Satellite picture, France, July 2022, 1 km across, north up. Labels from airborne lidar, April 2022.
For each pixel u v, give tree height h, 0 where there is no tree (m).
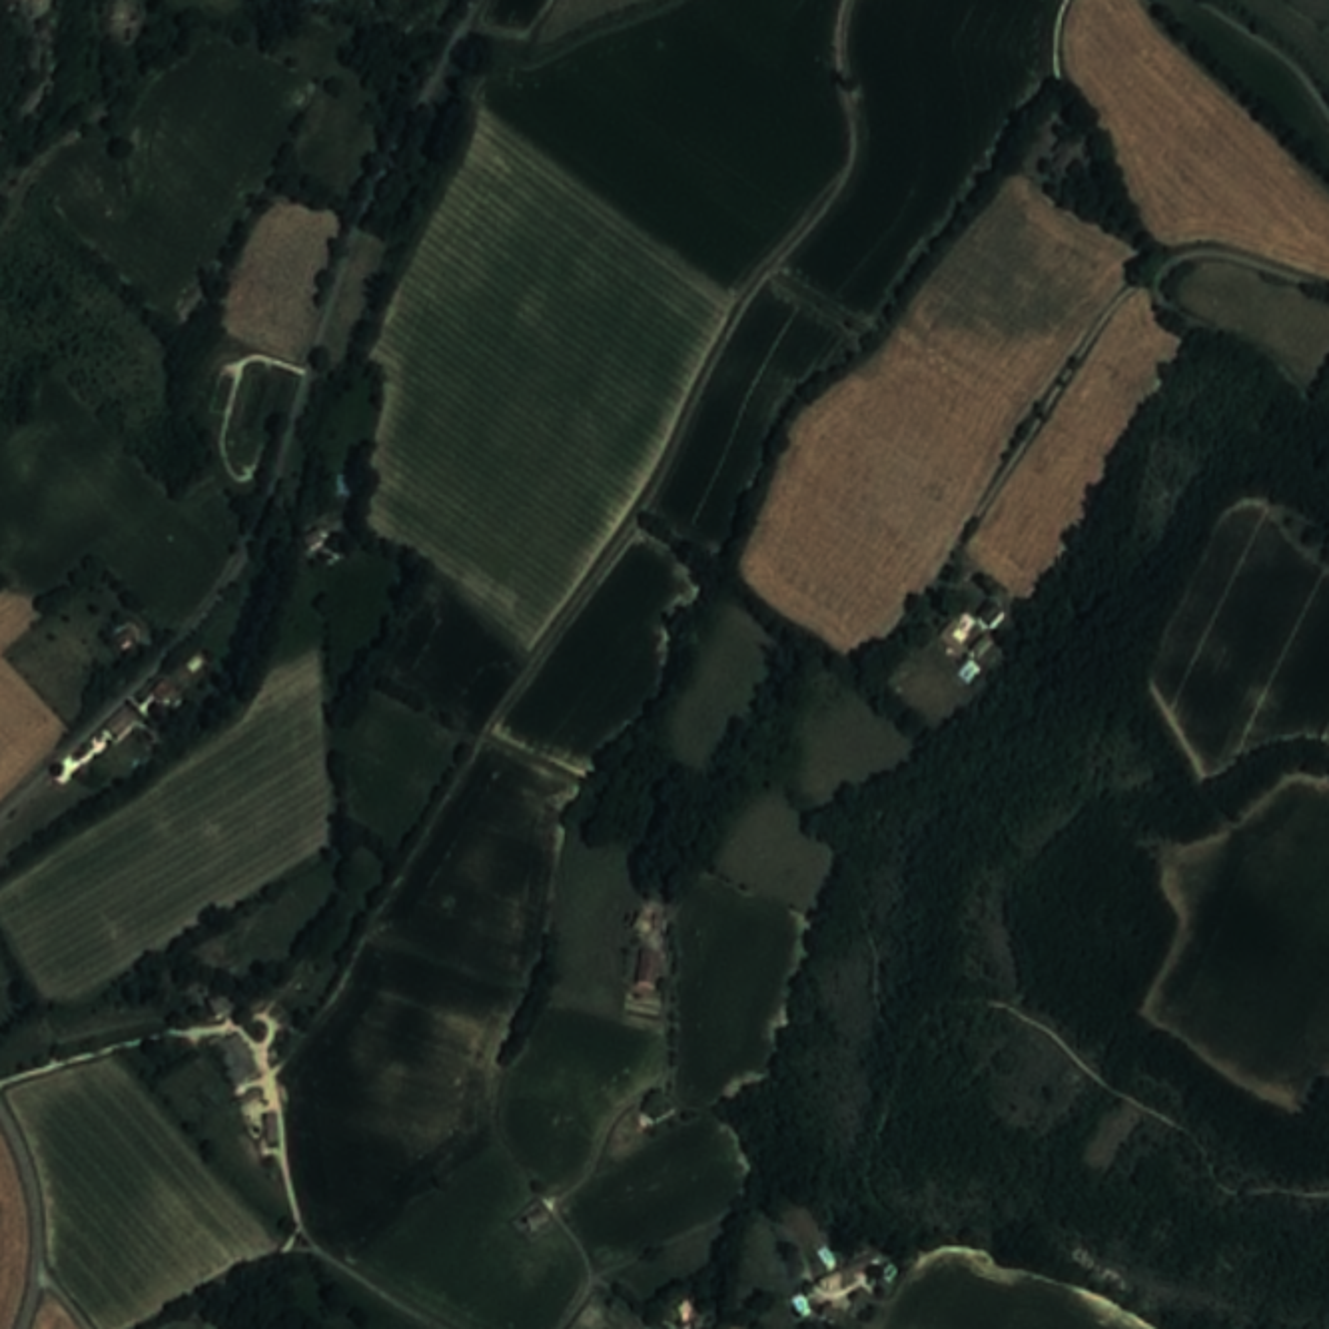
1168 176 0
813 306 0
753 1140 11
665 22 0
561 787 0
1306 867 0
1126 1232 8
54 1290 0
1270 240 0
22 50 7
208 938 8
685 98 0
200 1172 0
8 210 6
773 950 0
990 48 0
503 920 0
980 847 10
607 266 0
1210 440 7
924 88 0
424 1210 0
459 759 10
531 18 0
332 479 22
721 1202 0
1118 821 11
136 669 9
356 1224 0
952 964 10
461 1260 0
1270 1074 0
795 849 0
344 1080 0
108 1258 0
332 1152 0
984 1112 8
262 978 23
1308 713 0
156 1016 0
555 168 0
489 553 0
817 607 0
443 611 0
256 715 0
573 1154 0
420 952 0
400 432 0
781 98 0
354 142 0
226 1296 15
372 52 18
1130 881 11
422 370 0
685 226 0
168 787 0
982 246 0
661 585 0
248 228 15
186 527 0
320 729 0
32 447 0
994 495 0
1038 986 10
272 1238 0
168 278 0
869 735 0
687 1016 0
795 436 0
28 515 0
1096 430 0
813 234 0
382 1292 0
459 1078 0
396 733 0
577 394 0
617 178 0
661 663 0
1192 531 9
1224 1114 14
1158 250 11
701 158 0
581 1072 0
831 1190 12
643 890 13
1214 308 0
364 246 0
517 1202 0
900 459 0
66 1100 0
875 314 0
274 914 0
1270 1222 7
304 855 0
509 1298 0
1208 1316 8
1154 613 15
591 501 0
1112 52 0
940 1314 0
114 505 0
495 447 0
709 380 0
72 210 0
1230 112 0
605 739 0
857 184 0
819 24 0
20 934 0
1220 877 0
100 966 0
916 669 0
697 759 0
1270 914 0
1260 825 0
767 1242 0
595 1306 0
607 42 0
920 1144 10
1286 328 0
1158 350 0
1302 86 0
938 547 0
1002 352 0
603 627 0
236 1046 0
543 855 0
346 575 0
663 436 0
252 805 0
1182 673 0
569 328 0
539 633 0
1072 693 16
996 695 10
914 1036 9
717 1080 0
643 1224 0
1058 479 0
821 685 0
